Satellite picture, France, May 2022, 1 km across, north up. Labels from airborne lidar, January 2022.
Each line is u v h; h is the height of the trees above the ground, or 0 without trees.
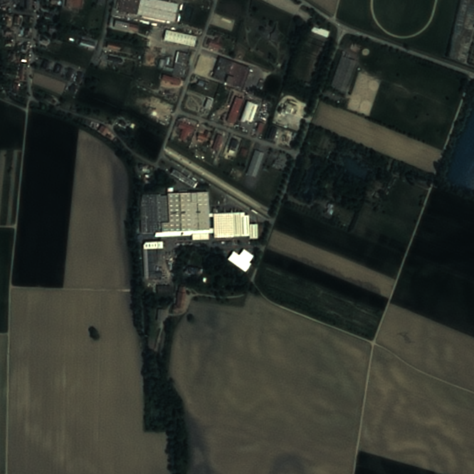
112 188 0
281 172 0
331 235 0
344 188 20
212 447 0
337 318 0
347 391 0
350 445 0
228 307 0
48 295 0
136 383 0
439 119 0
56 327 0
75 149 0
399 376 0
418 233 0
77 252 0
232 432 0
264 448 0
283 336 0
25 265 0
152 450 0
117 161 0
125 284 0
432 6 0
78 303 0
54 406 0
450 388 0
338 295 0
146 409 6
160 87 0
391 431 0
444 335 0
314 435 0
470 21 0
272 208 14
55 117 0
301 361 0
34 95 7
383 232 0
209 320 0
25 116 0
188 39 0
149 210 0
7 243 0
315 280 0
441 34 0
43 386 0
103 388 0
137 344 0
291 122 0
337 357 0
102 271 0
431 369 0
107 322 0
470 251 0
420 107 0
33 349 0
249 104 0
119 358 0
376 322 0
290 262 0
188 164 0
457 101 0
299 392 0
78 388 0
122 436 0
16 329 0
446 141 0
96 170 0
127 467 0
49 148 0
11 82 7
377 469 0
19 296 0
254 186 0
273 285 0
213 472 0
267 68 0
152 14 0
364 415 0
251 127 0
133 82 0
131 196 0
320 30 0
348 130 0
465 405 0
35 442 0
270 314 0
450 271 0
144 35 0
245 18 0
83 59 0
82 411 0
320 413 0
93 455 0
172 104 0
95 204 0
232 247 0
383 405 0
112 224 0
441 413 0
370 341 0
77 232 0
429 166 0
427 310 0
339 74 0
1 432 0
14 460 0
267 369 0
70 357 0
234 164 0
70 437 0
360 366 0
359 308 0
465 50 0
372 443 0
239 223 0
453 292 0
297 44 17
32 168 0
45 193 0
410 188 0
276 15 0
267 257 0
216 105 0
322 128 10
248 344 0
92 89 12
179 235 0
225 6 0
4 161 0
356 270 0
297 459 0
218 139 0
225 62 0
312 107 17
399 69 0
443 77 0
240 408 0
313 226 0
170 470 15
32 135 0
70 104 0
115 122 0
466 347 0
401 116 0
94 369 0
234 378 0
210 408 0
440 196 0
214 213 0
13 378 0
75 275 0
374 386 0
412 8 0
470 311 0
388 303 0
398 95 0
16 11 0
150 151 0
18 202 0
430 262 0
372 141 0
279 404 0
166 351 12
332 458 0
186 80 0
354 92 0
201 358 0
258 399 0
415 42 0
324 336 0
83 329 0
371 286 0
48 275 0
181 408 12
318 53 0
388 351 0
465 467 0
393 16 0
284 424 0
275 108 0
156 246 0
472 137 0
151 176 6
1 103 0
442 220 0
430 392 0
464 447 0
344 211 0
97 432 0
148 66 0
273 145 0
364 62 0
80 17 0
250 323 0
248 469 0
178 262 11
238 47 0
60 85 0
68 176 0
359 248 0
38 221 0
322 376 0
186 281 15
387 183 6
